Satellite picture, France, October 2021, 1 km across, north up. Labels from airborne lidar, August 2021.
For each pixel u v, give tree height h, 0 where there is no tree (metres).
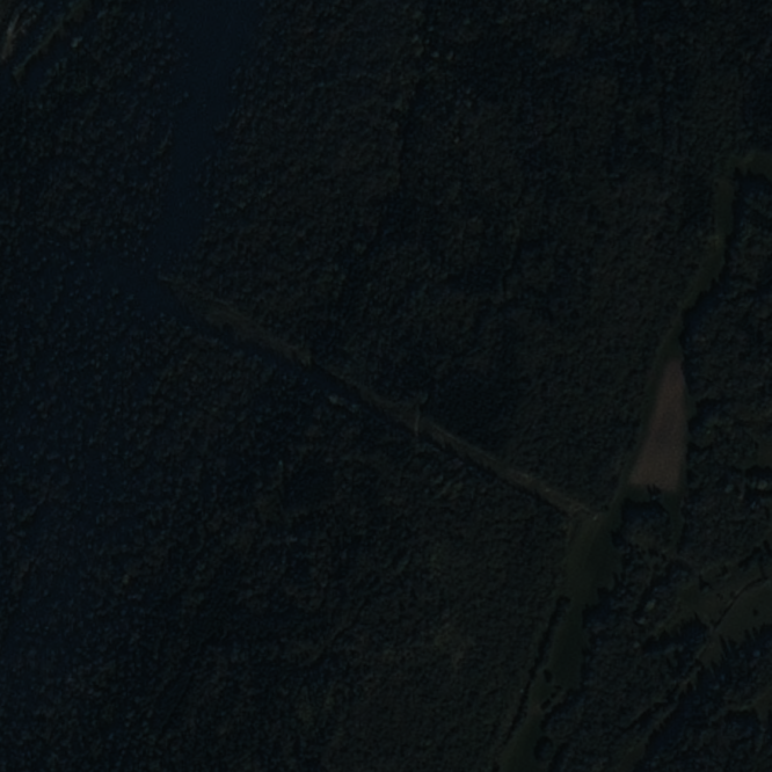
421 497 10
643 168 13
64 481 24
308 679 15
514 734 9
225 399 16
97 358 22
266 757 14
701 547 12
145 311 13
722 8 7
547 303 16
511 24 15
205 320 0
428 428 0
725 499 16
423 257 11
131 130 13
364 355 9
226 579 21
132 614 12
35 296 16
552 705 7
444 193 8
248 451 14
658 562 9
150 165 11
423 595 14
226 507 14
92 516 13
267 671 14
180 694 22
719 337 10
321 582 13
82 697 10
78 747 9
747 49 16
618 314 7
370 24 7
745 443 14
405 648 16
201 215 15
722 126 20
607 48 20
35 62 0
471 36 12
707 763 18
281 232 16
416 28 17
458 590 10
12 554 24
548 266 10
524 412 8
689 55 11
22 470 27
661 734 0
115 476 16
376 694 8
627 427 15
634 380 17
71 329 15
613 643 17
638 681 13
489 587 12
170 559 11
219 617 25
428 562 13
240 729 9
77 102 13
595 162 8
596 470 24
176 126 11
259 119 15
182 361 16
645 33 15
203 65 14
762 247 14
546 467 14
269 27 10
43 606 11
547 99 16
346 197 11
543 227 8
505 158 12
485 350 11
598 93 9
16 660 23
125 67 17
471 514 12
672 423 0
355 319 18
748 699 17
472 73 11
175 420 14
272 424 26
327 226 10
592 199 12
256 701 12
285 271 11
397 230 9
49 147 9
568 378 13
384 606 12
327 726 24
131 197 10
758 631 0
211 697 15
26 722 11
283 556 19
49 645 13
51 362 14
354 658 18
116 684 15
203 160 18
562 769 13
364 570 13
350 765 10
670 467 0
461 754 8
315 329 12
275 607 24
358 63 11
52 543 18
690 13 15
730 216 0
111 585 12
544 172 19
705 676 0
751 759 23
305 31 15
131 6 9
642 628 14
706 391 16
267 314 11
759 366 18
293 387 11
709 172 21
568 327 12
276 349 0
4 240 15
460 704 10
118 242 8
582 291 16
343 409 7
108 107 15
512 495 7
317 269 18
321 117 16
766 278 15
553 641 9
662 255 16
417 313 10
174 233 11
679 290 19
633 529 12
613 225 11
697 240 20
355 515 18
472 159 11
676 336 0
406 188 16
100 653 17
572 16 17
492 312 21
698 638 16
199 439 12
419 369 15
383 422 12
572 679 0
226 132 13
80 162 12
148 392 14
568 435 17
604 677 10
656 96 7
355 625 10
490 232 15
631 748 13
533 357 9
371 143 17
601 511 11
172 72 13
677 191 14
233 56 9
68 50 9
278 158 19
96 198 8
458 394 11
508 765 0
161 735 14
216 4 8
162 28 11
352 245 17
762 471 0
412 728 6
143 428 11
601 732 17
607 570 0
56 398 18
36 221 12
